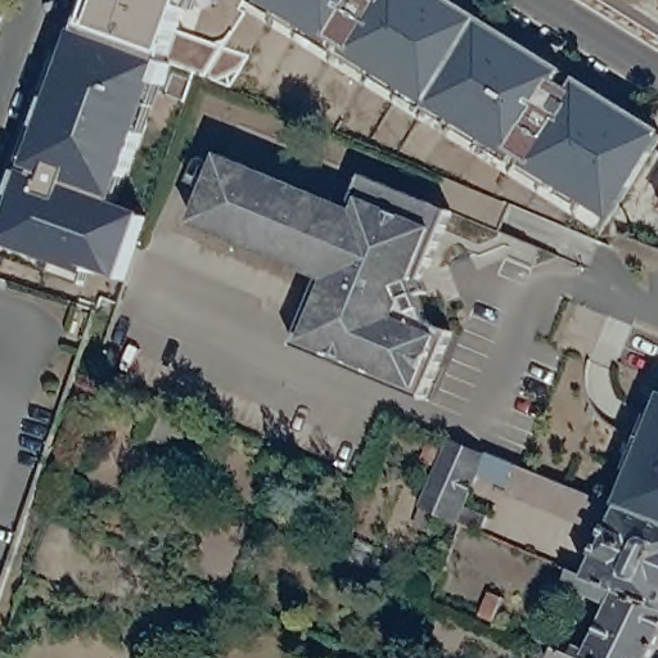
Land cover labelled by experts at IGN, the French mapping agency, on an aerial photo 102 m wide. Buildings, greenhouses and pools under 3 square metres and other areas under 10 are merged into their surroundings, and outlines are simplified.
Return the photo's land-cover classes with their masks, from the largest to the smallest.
<instances>
[{"label":"building","instance_id":"1","mask_svg":"<svg viewBox=\"0 0 658 658\"><path fill-rule=\"evenodd\" d=\"M211 5V0H75L67 28L57 36L36 95L31 98V105L26 111L23 131L13 152L10 167L0 177V257L31 267L36 270V275L51 272L67 278L69 283H75L77 290L85 288L93 270L111 272V280L121 283L129 275L136 244L144 218L131 216L123 206H118L111 198V193L131 172L134 157L147 134L149 111L154 103H141V85H165L170 69L167 62L172 59L170 49L175 39L177 26L195 28L200 13ZM262 13H275L283 23L290 26L293 33H301L314 46L324 49V57L342 59L357 67L362 77L380 82L391 95L409 98L411 108H424L440 121L450 123L452 129L476 141L481 152L494 154L511 170L517 167L542 180V185L553 188L565 200L578 203L596 216L607 213L614 206V198L637 157L645 149H658V111L645 121L643 118L576 77H565L558 85V67L553 62L514 41L504 31L488 26L486 21L476 18L452 0H247ZM182 182L193 188V195L182 200L185 226L190 231H200L234 249H249L260 254V260L265 262H288L298 275L311 278V293L298 314L296 329L290 332V350L301 352L306 362L368 388L370 393H375L378 401H393L404 411L416 409L414 393L427 373V365H440L442 360L440 355H434L437 334L442 329L432 326L422 316V298L429 296L424 280H416V267L422 265L424 249L432 239L437 213L442 211L427 200L393 190L362 175H352L344 195L347 203L337 206L326 198L311 195L296 185H288L278 177H270L260 170L244 167L218 154L206 157L200 175H182ZM478 494L494 504V514L483 517L481 522L483 527L555 555L550 568L558 571L563 581L573 583L576 594L586 601L596 604L594 625L578 645H568L565 653L560 650H547L545 658H658V391L648 393L645 406L632 427V434L622 447L619 463L609 499L594 496L591 501L586 499V494L529 470L486 452H473L447 440L445 447L437 450L434 460L429 463L427 483L414 496V501L424 511V519H429L440 517L455 529L458 524H463L468 509L465 501L468 496ZM481 607L478 617L491 622L499 607H524L522 596H504V589L494 583H486L473 599Z\"/></svg>","mask_w":658,"mask_h":658},{"label":"impervious surface","instance_id":"2","mask_svg":"<svg viewBox=\"0 0 658 658\"><path fill-rule=\"evenodd\" d=\"M75 0H26V5L10 21L3 23L0 46V177L10 167L13 152L23 131L26 111L31 105V98L36 95L57 36L67 28ZM244 18H254L257 23L270 26L275 33L285 36L290 44L301 46L332 69L342 72L344 85L370 90L373 95L383 98L396 111H401L406 118L427 129H434L440 121L424 108H411L409 98L391 95L380 82L362 77L357 67L342 59L324 57V49L314 46L301 33H293L290 26L283 23L275 13H262L247 0H242L239 13L221 41L198 39L200 31L195 28L177 26L175 39L206 46L211 49V57L203 67L172 59L167 62L170 69L188 72L182 95H190L193 87L195 77H203L224 87L236 85L247 64V51L229 49V44L239 33ZM476 18L486 21L488 26L504 31L514 41L553 62L558 67V85L565 77H576L643 118L645 108L630 98V93L643 90L645 85L658 90V0H511V18L496 21L483 15L473 0H452ZM447 139L458 144L463 152L511 177L529 193H537L550 206L578 218L594 231L591 236L576 234L565 226L550 224L527 211L511 208L506 203L465 190L450 180H442L440 185L445 200L452 208H460L463 213L488 224H504L501 234L476 242L470 236L447 231L450 213L442 211L437 213L432 239L424 249L422 265L416 267V280H424L429 296H440L442 301H460L458 319L463 324V332L452 334L442 329L437 334L434 355H440L442 360L440 365H427V373L414 393L416 409L404 411L393 401H378L375 393H370L368 388L306 362L301 352L290 350V332L296 329L298 314L311 293V278L298 275L288 262H265L260 260V254L249 249H234L200 231H190L185 226L182 200L177 190L170 193L159 211L152 242L147 247L136 244L129 275L121 283L116 308L121 311V319L113 326L111 342H103V357L108 362H113L121 370L131 365L147 383L159 380L162 396H198L218 414L234 409V419L239 422L254 429H267L270 434H293L298 447L303 450L321 455L332 452L337 468L344 470L350 465L352 452L365 450V445H360L362 429L370 432L373 422L380 414H391L398 422L416 424L427 432H445L447 440L473 452H486L529 470L527 458L540 455L537 442L529 440L535 414L514 409V398H522L524 391H542L547 383H553L555 365L563 350L573 347L578 352H586V378L581 388L607 414L617 416L612 442L604 450V463H619L622 447L632 434V427L645 406L648 393L658 391V275L650 280L648 290L635 288L625 280V270L619 267L617 254L607 249L609 236L619 234L617 221H658V149H645L637 157L614 198V206L607 213L596 216L578 203L565 200L553 188L542 185V180L517 167L511 170L494 154L481 152L476 141L452 129L447 131ZM450 244H463L473 260V267L450 272V267L442 265V249ZM560 298H568L571 306L565 308L563 324L555 334L558 342L553 347H547L545 342H535V332H547ZM612 360L619 362V380L630 391L622 406L609 383ZM8 285L5 280H0V576L10 555V545H3V535L18 532L31 494L36 463L41 458L49 429L57 406L33 404V388L41 386L44 373H51V355L59 350V339H69V329L62 326V321H54L51 314L23 298L8 296L3 288Z\"/></svg>","mask_w":658,"mask_h":658},{"label":"herbaceous vegetation","instance_id":"3","mask_svg":"<svg viewBox=\"0 0 658 658\"><path fill-rule=\"evenodd\" d=\"M242 0H211V5L200 13L195 28L200 31L198 39L221 41L239 13ZM229 49L247 51V64L236 85L265 90L267 95H272L267 103L272 108L270 113H260L193 87L190 95H182L188 72L170 69L165 85H141V103H154L149 111L147 134L134 157L131 172L111 193V198L118 206H123L131 216L144 218L136 244L147 247L152 242L159 211L170 193L177 190L182 200L193 195V188L182 182V175H200L206 157L218 154L244 167L260 170L270 177H278L288 185H296L311 195L326 198L337 206L347 203L344 195L352 175H362L393 190L427 200L442 211L450 213L447 231L470 236L476 242L501 234L504 224H488L463 213L460 208H452L445 200L440 185L401 175L393 167L362 157L357 152H347L344 144L337 139H326L314 152L298 147L293 159H280V147L272 144L278 129L285 121L308 116L319 108V98L326 103V116L334 123L342 129L360 131L386 147H393L404 154H411L422 162L445 170L442 180H450L465 190L506 203L511 208L527 211L550 224L565 226L576 234L591 236L594 231L578 218L550 206L537 193H529L511 177L463 152L458 144L447 139V131L452 129L450 123L440 121L434 129H427L406 118L401 111H396L383 98L373 95L370 90L344 85L342 72L332 69L301 46L290 44L285 36L275 33L270 26L257 23L254 18H244L239 33L229 44ZM172 59L203 67L211 57V49L206 46L175 39L170 49ZM607 249L617 254L619 267L625 270V280L635 288L648 290L650 280L658 275V247L643 244L630 234H619L609 236ZM442 265L450 267V272L473 267V260L463 244H450L442 249ZM8 275H18L31 283H44L49 288L75 293L77 306L69 329V339H59V350L51 355V373H44L41 386L33 388V404L57 406H62L64 398H80V388H75V383L87 342L98 337L103 342H111L113 326L121 319V311L116 308L121 283L111 280V272L93 270L85 288L77 290L75 283H69L67 278L51 272L36 275V270L31 267L0 257V280H5ZM8 296L23 298L51 314L54 321H62L64 303L23 293L8 285L3 288ZM586 378V365L578 360H568L560 378V388L553 393L547 411L535 414L529 440L537 442L540 455L527 458L529 470L586 494V499L591 501L594 496L609 499L619 463H604V450L612 442L617 416L607 414L581 388ZM103 427L113 432V442L108 447L105 460L90 473V481H98L103 486H113L116 481L126 483L129 473L144 468L147 463L170 450H180L177 440H170L172 427L167 424V419L154 424L152 442L129 447L131 424L123 416H116L103 419ZM54 432L49 429L41 458L36 463L31 494L18 532L3 535V545H10V555L0 576V617L8 612L10 583L21 571V553L36 501L39 476L44 465L57 463L51 458ZM231 455L226 460V468L234 473L236 488L244 501H252V478L247 463L254 458L257 450L244 445L239 434L229 437ZM437 450L427 445L422 455L414 450L401 460V468H416L422 460L429 463L434 460ZM360 535L352 547V558L332 565V581H314L308 563L290 558L285 547H272V553L262 563L267 571H278V599L283 609L290 612L306 607L308 589L329 601V622L337 625L342 617L352 612L350 604H339V589L378 578L380 568L388 560L406 553L409 542H416V532H422L429 519H424V511L414 501V496L401 476H388L375 483L373 499L357 504ZM36 571L51 578L69 576L85 594L98 596V607L123 612L131 627L126 632V645H105L100 637L80 632L64 643H28V658H129V653L139 655V643H152L157 632H165L172 622L200 625L208 617L206 607L188 601L180 607H157L147 612L141 607V573L147 571L144 565L129 558L123 550H105L103 542H93V547L75 550L69 532L54 524L39 547ZM445 553V591L458 594L463 599H473L486 583H494L504 589V596H522L524 607L532 612L542 591L576 594L573 583L563 581L558 571L550 568L555 555L483 527L478 537H470L468 527L463 524H458L455 529L450 542H437ZM244 535L242 527H226L221 532H206L200 537V568L208 578L206 589H211L216 599L224 601L229 599V573L239 540ZM378 632L383 637L419 643L422 632L434 627V637L450 653L447 658H460L458 648L463 640H478L481 645L494 648L501 658H509V648L478 632H468L460 627L447 630L442 622H422V614L416 612L401 609L393 599L391 604L375 612ZM596 604L586 601L583 619L573 627V635L560 643V650L565 653L568 645H578L594 625ZM301 635L293 630H280V640L275 635H260L252 650L231 648L226 658H285V653L296 648V640Z\"/></svg>","mask_w":658,"mask_h":658},{"label":"deciduous trees","instance_id":"4","mask_svg":"<svg viewBox=\"0 0 658 658\"><path fill-rule=\"evenodd\" d=\"M26 5V0H0V46L3 23L10 21ZM483 15L496 21L511 18V0H473ZM630 98L645 108L643 118L645 121L658 111V90L645 85L643 90L630 93ZM334 123L326 116V103L319 98V108L308 116L285 121L278 129L272 144L280 147V159H293L298 147L314 152L326 139H337L332 136ZM619 234H630L643 244L658 247V221H617ZM103 342L98 337L87 342L75 383V388H80V398H64L62 406H57L49 429L54 432L51 458L57 463L44 465L39 476L36 501L21 553V571L10 583L8 612L0 617V658H28V643H64L80 632L100 637L105 645H126V632L131 627L123 612L98 607V596L85 594L69 576L51 578L36 571L39 547L54 524L69 532L75 550L93 547V542H103L105 550H123L129 558L144 565L147 571L141 573V607L147 612L157 607H180L188 601L206 607L208 617L200 625L172 622L165 632H157L152 643H139V655L129 653V658H226L231 648L252 650L260 635H275L280 640V630H293L301 635L296 640V648L285 653V658H447L450 653L434 637V627L422 632L419 643L383 637L378 632L375 612L391 604L393 599L401 609L416 612L422 604L429 601V596H442L445 591V553L437 542H450L455 529L440 517L429 519L422 532H416V542H409L406 553L388 560L380 568L378 578L339 589V604H350L352 612L342 617L337 625L329 622V601L308 589L306 607L290 612L283 609L278 599V571H267L262 563L272 553V547H285L290 558L308 563L314 581H332V565L352 558V547L360 535L357 504L373 499L375 483L388 476H401L414 496L427 483L429 463L422 460L416 468H401V460L414 450L422 455L427 445L437 450L445 447L447 440L445 432H427L416 424L398 422L391 414H380L373 422L370 432L362 429L360 445H365V450L352 452L350 465L344 470L337 468L329 478L324 468L314 460H290L283 455H270L262 447L257 450L254 458L247 463L252 478V501H244L236 488L234 473L226 468V460L231 455L229 437L239 434V422L234 419V409L218 414L198 396H162L159 380L147 383L131 365L121 370L113 362H108L103 357ZM116 416H123L131 424L129 447L152 442L154 424L167 419V424L172 427L170 440H177L180 450H170L147 463L144 468L129 473L126 483L116 481L113 486H103L98 481H90V473L105 460L108 447L113 442V432L103 427V419ZM226 527H242L244 535L239 540L229 573V599L224 601L216 599L211 589H206L208 578L200 568V537L206 532H221ZM586 601L576 594L542 591L532 612L524 607H499L491 622L499 630L524 627V635H519L509 648V658H545L547 650H560V643L573 635V627L583 619Z\"/></svg>","mask_w":658,"mask_h":658},{"label":"brushwood","instance_id":"5","mask_svg":"<svg viewBox=\"0 0 658 658\"><path fill-rule=\"evenodd\" d=\"M193 87L260 113H270L272 108L267 103L272 95H267L265 90L236 85L224 87L203 77H195ZM332 136L337 139L344 144L347 152H357L362 157L393 167L401 175L440 185L442 180L445 170L422 162L411 154H404L393 147H386L360 131L342 129L334 123ZM8 285L23 293L64 303L62 321V326L69 329L77 306L75 293L49 288L44 283H31L18 275H8L5 280ZM460 301H442L440 296H429L422 298V316L432 326L442 329L452 334L463 332V324L458 319ZM571 306L568 298H560L547 332H535V342H545L547 347H553L558 342L555 334L563 324L565 308ZM568 360H578L586 365V352H578L573 347L563 350L555 365L553 383H547L542 391H524L522 398H514V409L535 414L547 411L553 393L560 388V378ZM609 383L622 406L630 391L619 380V362L612 360ZM239 434L244 445L257 450L262 447L270 455H283L290 460H314L324 468L329 478L337 468L332 452L321 455L303 450L298 447L293 434H270L267 429H254L239 422ZM468 509L463 524L468 527L470 537H478L483 527L481 522L483 517L494 514V504L478 494L468 496L465 501ZM481 607L473 599H463L458 594L445 591L442 596H429V601L422 604L416 612L422 614V622H442L447 630L460 627L468 632H478L509 648L519 635H524V627L499 630L491 622L478 617ZM460 658H501L494 648L481 645L478 640H463L458 648Z\"/></svg>","mask_w":658,"mask_h":658}]
</instances>
